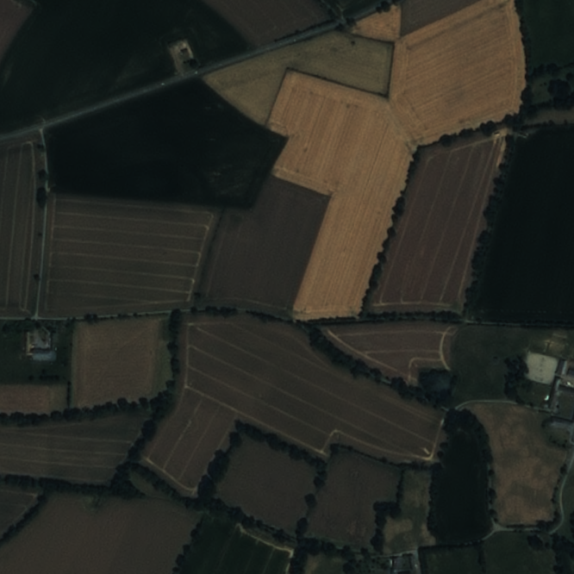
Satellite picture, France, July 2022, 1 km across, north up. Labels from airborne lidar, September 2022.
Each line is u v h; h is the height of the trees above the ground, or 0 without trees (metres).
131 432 0
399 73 0
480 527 0
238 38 0
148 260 0
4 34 0
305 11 0
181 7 0
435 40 0
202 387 0
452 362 0
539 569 0
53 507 0
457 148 0
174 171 0
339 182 0
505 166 11
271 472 0
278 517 0
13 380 0
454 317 12
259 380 0
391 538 0
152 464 0
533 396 0
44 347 0
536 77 15
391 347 0
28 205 0
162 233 0
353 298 0
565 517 0
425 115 0
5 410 0
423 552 14
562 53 0
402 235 0
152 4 0
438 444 0
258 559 0
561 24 0
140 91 0
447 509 0
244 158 0
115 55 0
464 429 15
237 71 0
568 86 16
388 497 0
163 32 0
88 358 0
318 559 0
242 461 0
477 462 0
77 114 0
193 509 10
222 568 0
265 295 0
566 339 0
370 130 0
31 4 0
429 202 0
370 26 0
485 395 0
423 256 0
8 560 0
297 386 0
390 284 0
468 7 0
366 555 15
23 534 0
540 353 0
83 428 0
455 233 0
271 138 0
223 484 0
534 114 18
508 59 0
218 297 0
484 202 0
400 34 0
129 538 0
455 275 0
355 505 0
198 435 0
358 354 0
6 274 0
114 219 0
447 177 0
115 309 0
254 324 0
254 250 0
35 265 0
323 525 0
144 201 0
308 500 17
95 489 11
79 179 0
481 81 0
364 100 0
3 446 0
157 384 0
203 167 0
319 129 0
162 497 0
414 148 0
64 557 0
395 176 0
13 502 0
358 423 0
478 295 10
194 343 0
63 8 0
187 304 0
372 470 0
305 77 0
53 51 0
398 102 0
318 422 0
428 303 0
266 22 0
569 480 0
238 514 18
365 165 0
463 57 0
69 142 0
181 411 0
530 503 0
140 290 0
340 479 0
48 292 0
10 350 0
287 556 0
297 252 0
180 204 0
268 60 0
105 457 0
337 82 0
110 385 0
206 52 0
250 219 0
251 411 0
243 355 0
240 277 0
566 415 0
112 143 0
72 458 0
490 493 14
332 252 0
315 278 0
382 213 0
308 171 0
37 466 0
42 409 0
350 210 0
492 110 0
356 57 0
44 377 6
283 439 0
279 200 0
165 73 0
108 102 0
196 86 0
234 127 0
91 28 0
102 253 0
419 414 0
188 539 0
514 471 0
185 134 0
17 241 0
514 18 0
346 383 0
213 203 0
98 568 0
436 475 23
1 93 0
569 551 19
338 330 0
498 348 0
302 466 0
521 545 0
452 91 0
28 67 0
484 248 10
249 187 0
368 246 0
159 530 0
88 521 0
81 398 0
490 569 0
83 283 0
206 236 0
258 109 0
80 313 0
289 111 0
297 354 0
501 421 0
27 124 0
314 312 0
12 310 0
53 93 0
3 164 0
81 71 0
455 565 0
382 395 0
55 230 0
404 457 0
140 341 0
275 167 0
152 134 0
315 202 0
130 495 19
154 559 0
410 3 0
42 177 16
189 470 0
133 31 0
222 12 0
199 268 0
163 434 0
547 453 0
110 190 0
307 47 0
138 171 0
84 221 0
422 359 0
